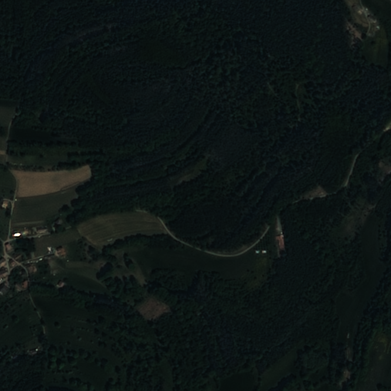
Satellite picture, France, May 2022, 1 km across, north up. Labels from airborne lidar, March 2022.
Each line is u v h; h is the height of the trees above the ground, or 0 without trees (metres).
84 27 19
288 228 18
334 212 19
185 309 31
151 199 28
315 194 0
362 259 10
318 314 13
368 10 0
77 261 0
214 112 24
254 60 36
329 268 14
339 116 19
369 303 0
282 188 26
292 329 18
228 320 16
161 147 26
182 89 24
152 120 25
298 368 15
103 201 25
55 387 0
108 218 0
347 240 15
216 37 13
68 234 0
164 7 33
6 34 11
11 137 0
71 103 18
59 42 27
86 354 19
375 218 0
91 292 0
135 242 18
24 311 0
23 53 25
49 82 19
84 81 14
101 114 10
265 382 0
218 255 0
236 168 9
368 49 0
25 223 0
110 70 18
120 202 24
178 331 9
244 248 0
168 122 24
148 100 25
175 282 9
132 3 29
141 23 26
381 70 22
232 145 27
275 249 0
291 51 20
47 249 0
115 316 32
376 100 37
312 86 24
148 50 12
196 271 0
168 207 19
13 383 8
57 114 14
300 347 0
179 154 7
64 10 25
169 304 31
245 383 0
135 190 28
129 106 17
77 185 0
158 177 18
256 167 12
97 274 0
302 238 15
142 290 21
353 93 32
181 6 32
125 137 15
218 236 15
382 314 24
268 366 21
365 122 9
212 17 9
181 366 27
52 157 0
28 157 0
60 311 0
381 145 9
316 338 12
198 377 23
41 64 26
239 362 30
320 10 19
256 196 22
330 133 15
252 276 0
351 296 0
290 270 15
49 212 0
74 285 0
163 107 25
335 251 9
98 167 15
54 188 0
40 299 0
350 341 0
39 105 18
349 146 14
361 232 0
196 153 15
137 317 32
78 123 20
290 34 23
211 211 19
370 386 0
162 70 17
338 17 19
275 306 16
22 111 13
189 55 17
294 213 13
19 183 0
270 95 6
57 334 0
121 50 15
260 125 26
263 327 16
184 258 0
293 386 15
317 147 22
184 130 26
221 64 35
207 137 19
